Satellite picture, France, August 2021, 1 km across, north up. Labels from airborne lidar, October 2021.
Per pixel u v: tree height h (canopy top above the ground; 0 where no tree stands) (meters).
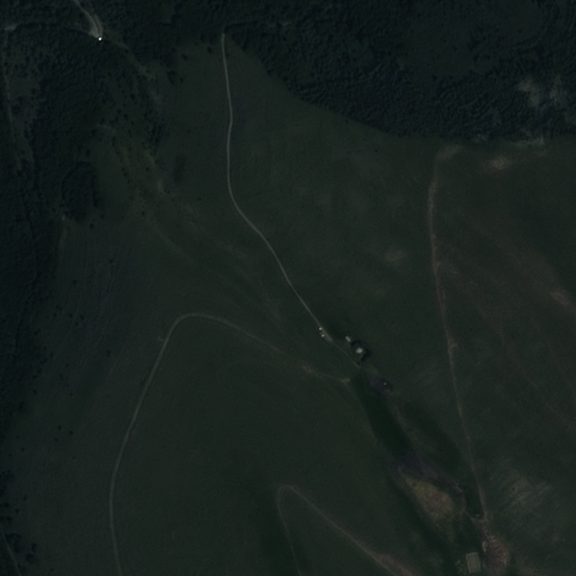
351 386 0
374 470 0
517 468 0
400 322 0
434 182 0
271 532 0
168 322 0
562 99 0
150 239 0
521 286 0
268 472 0
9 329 25
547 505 0
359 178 0
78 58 15
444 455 0
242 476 0
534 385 0
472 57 0
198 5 19
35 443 0
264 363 0
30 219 16
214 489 0
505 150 0
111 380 0
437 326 0
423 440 0
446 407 0
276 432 0
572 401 0
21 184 17
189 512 0
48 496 0
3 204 26
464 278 0
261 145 0
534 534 0
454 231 0
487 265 0
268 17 10
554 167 0
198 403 0
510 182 0
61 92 22
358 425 0
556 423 0
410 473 0
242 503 0
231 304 0
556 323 0
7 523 12
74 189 18
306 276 0
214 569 0
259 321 0
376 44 17
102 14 15
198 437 0
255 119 0
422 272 0
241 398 0
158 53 15
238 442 0
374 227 0
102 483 0
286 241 0
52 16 18
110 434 0
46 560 0
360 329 0
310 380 0
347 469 0
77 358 0
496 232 0
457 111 7
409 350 0
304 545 0
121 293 0
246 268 0
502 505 0
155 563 0
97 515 0
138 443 0
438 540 0
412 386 0
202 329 0
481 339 0
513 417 0
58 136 25
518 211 0
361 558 0
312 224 0
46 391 0
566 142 0
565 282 0
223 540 0
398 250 0
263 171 0
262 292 0
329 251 0
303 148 0
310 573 0
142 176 0
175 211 0
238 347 0
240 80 0
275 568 0
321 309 0
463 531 0
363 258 0
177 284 0
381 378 0
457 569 0
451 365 0
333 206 0
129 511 0
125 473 0
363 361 6
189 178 0
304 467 0
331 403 0
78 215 16
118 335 0
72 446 0
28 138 12
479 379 0
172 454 0
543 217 0
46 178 21
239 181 0
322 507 0
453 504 0
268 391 0
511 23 0
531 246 0
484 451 0
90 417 0
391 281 0
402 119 8
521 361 0
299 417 0
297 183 0
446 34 0
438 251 0
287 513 0
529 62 7
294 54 10
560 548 0
